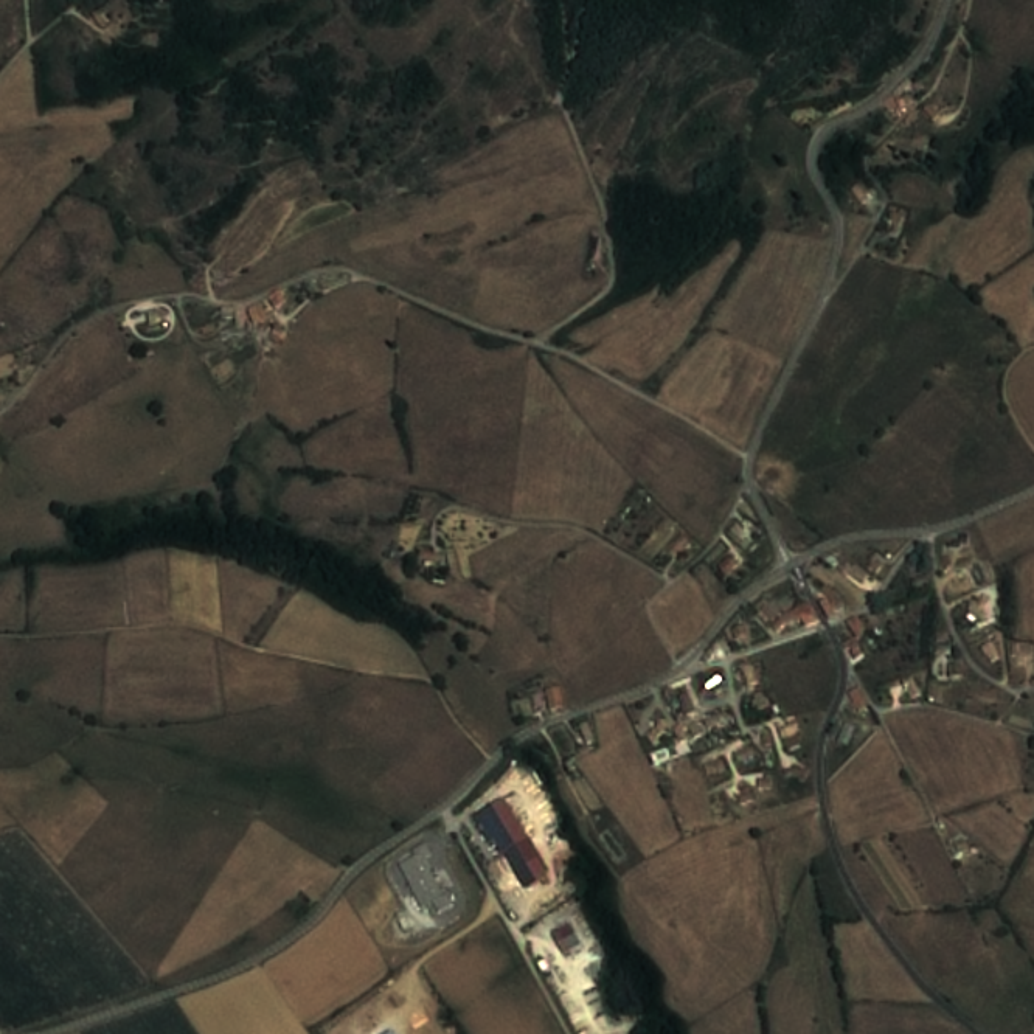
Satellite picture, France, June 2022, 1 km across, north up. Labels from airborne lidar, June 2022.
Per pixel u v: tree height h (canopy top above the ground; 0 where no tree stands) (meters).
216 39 7
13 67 0
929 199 0
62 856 0
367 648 0
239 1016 0
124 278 0
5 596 0
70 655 0
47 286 0
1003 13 0
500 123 0
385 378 0
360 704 0
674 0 7
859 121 0
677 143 0
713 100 0
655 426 0
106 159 0
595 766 0
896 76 0
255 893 0
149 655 0
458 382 0
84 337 0
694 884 0
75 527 10
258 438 0
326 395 0
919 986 0
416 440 0
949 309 0
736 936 0
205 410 0
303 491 0
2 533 0
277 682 0
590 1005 0
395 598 14
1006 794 0
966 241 0
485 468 0
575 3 10
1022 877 0
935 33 0
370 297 0
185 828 0
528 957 0
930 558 16
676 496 0
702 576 0
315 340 0
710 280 0
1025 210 0
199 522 10
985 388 0
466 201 0
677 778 0
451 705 0
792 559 0
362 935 0
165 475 0
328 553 15
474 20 0
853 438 0
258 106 8
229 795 0
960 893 0
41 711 0
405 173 0
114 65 5
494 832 0
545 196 0
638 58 6
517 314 0
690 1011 0
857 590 0
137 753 0
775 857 0
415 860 0
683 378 0
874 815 0
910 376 0
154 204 0
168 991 0
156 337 0
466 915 0
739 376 0
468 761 0
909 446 0
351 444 0
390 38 0
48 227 0
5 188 0
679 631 0
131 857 0
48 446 0
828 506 0
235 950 0
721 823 0
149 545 10
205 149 7
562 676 0
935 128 0
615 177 6
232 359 0
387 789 0
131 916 0
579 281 0
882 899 0
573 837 8
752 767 0
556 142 0
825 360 0
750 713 8
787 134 0
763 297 0
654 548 0
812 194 0
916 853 0
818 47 6
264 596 0
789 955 0
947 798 0
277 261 0
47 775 0
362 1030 0
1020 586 0
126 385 0
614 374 0
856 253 0
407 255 0
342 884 0
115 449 0
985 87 0
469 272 0
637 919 0
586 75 10
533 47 0
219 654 0
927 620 6
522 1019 0
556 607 0
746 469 0
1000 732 0
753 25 9
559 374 0
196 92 9
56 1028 0
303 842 0
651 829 0
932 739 0
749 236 9
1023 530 0
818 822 0
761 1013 9
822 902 7
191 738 0
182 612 0
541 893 0
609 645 0
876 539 0
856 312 0
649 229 11
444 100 0
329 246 0
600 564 0
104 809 0
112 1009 0
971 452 0
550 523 0
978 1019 0
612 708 0
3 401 0
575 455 0
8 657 0
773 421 0
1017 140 13
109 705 0
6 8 0
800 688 0
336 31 0
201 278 0
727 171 5
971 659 0
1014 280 0
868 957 0
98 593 0
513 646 0
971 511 0
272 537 19
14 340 0
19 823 0
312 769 0
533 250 0
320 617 0
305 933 0
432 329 0
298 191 0
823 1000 0
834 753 0
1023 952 0
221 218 9
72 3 10
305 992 0
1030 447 0
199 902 0
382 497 0
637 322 0
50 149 0
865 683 0
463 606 0
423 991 0
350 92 5
